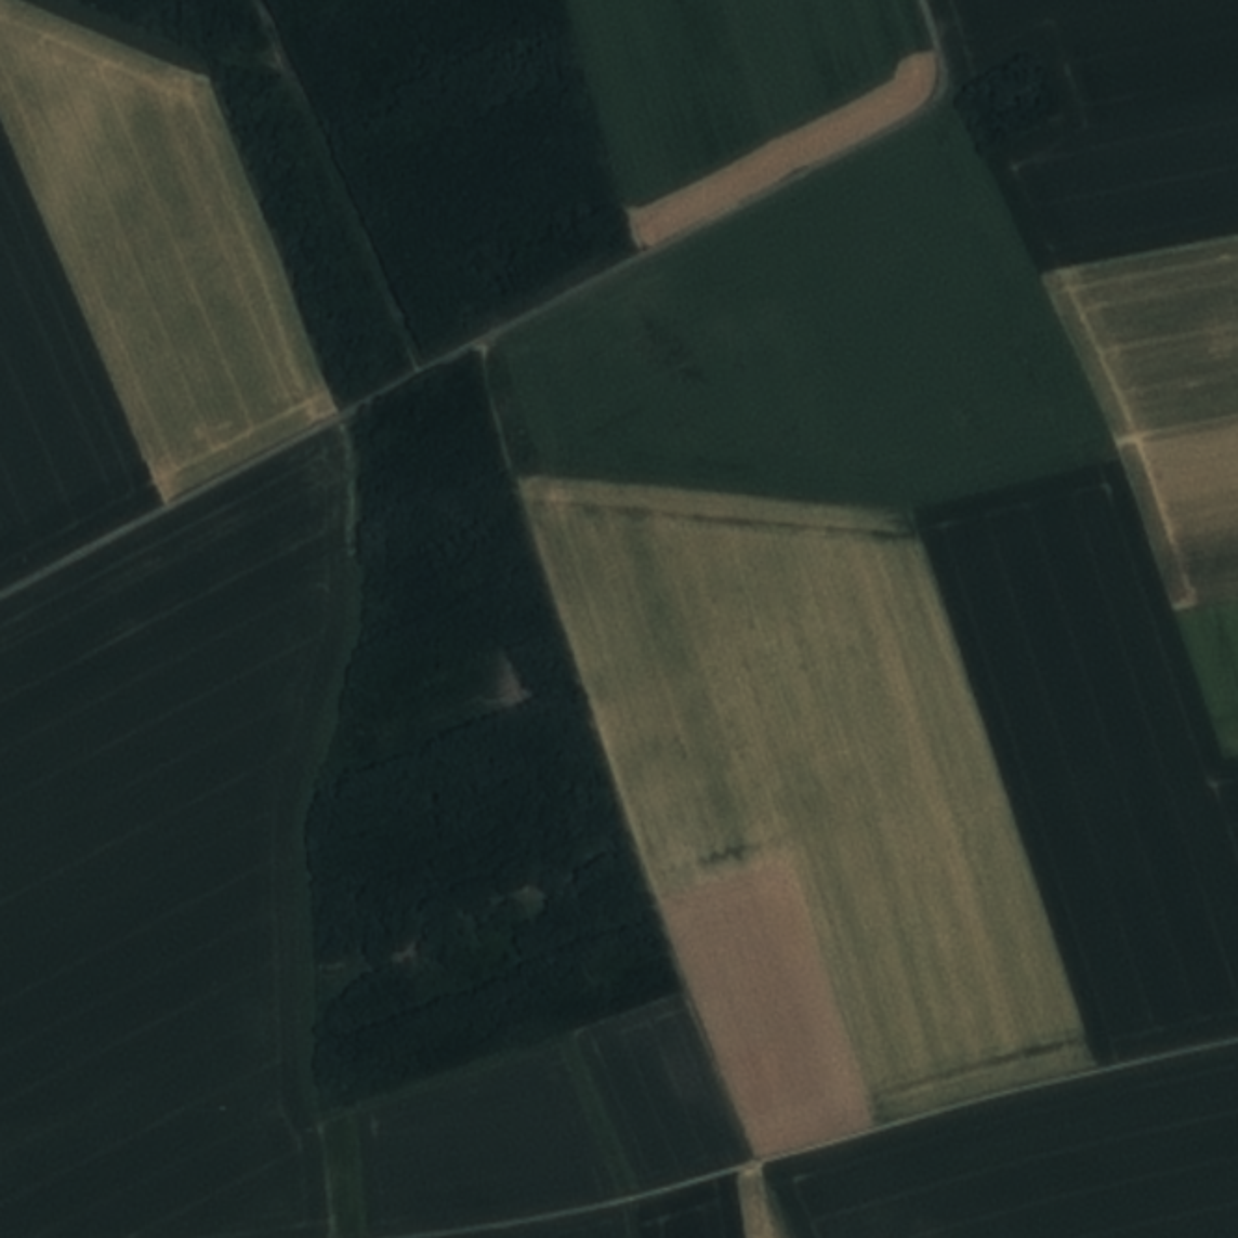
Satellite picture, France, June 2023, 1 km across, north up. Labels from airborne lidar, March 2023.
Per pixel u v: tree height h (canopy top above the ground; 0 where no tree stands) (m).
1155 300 0
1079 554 0
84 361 0
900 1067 0
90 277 0
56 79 0
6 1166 0
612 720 0
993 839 0
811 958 0
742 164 0
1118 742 0
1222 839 0
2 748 0
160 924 0
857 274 0
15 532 0
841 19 0
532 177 16
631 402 0
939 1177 0
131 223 0
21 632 0
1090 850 0
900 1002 0
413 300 20
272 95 15
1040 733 0
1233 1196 0
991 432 0
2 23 0
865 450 0
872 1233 0
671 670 0
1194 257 0
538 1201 0
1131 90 0
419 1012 6
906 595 0
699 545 0
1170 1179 0
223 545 0
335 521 0
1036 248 0
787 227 0
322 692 0
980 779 0
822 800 0
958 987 0
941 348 0
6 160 0
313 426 0
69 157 0
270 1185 0
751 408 0
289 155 15
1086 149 0
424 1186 0
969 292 0
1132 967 0
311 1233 0
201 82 0
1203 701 0
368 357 15
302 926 0
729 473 0
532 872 19
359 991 15
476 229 17
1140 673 0
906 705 0
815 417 0
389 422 6
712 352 0
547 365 0
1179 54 0
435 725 0
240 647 0
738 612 0
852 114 0
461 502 20
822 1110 0
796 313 0
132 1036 0
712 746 0
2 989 0
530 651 16
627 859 16
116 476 0
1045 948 0
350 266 15
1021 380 0
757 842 0
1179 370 0
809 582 0
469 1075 0
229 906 0
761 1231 0
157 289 0
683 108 0
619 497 0
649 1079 0
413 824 19
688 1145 0
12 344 0
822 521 0
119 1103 0
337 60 9
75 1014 0
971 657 0
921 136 0
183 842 0
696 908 0
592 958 19
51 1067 0
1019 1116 0
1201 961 0
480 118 17
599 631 0
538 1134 0
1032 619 0
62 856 0
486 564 16
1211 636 0
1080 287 0
